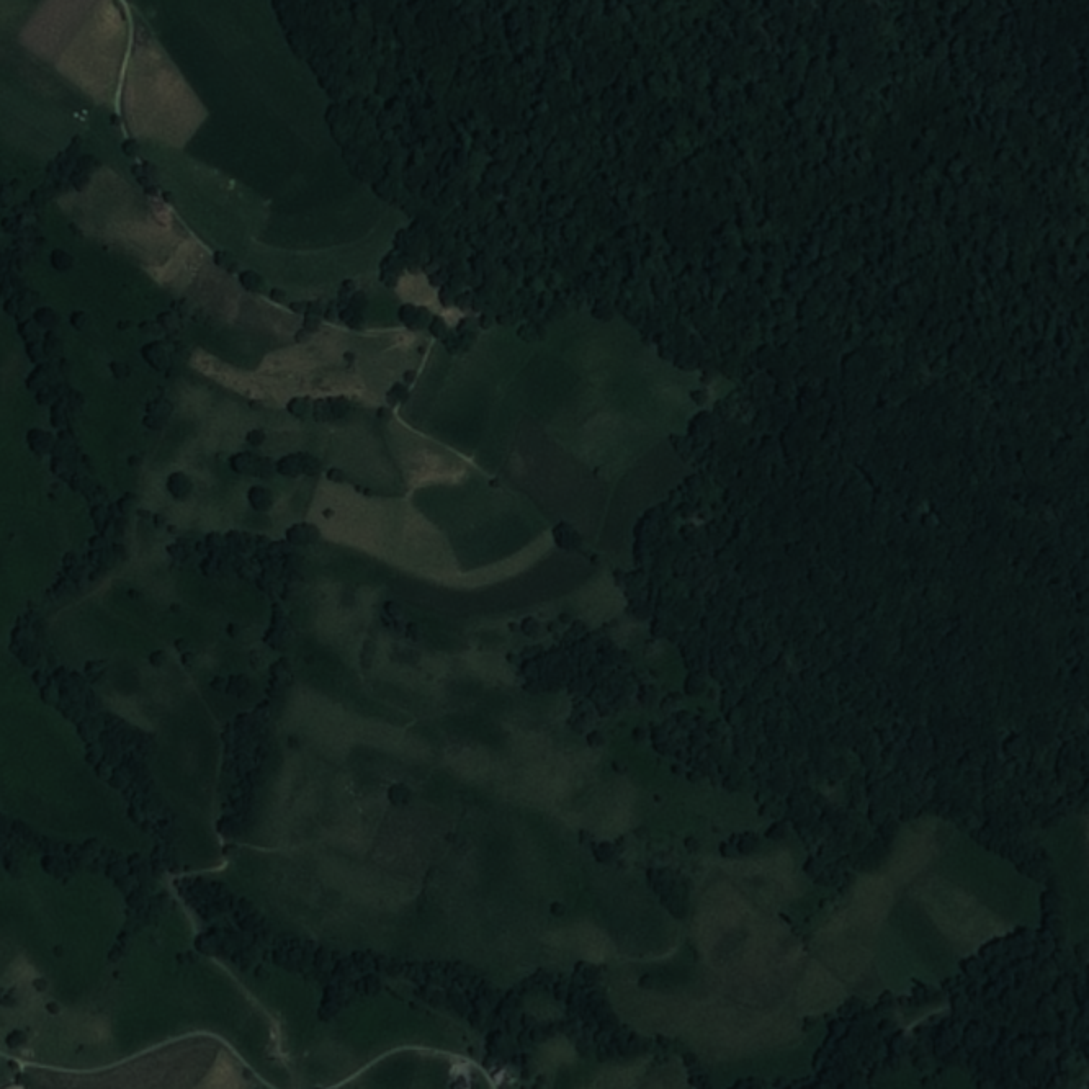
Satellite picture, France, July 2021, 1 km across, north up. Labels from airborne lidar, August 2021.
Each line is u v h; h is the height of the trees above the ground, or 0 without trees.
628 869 12
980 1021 6
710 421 24
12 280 23
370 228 0
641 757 0
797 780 25
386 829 0
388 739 0
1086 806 22
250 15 0
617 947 0
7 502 0
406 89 17
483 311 23
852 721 26
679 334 22
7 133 0
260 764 12
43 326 25
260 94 0
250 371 0
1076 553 30
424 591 0
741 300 23
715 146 14
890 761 30
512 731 0
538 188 28
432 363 0
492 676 0
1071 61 29
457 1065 0
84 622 0
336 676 0
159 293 0
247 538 15
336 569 0
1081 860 0
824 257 26
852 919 0
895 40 10
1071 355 28
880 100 29
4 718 0
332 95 12
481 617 0
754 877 0
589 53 24
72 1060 0
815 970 0
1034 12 26
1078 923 0
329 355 0
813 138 15
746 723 20
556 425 0
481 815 0
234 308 0
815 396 34
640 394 0
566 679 21
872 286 34
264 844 0
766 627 25
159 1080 0
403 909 0
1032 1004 25
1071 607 24
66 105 0
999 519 34
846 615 25
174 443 0
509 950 0
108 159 0
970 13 26
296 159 0
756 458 24
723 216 18
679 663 0
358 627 0
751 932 0
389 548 0
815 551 19
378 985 13
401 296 0
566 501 0
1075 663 25
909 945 0
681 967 0
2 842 16
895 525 29
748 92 6
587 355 0
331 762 0
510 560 0
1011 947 25
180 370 21
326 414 24
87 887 0
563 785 0
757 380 17
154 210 0
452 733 0
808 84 29
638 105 33
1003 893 0
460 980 19
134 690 0
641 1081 0
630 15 16
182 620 0
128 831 0
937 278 14
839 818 24
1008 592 24
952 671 26
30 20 0
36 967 0
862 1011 13
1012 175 13
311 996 0
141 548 0
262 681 0
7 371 0
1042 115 30
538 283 25
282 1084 0
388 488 0
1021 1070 29
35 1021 0
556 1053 0
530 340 15
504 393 0
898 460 32
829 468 28
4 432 0
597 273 10
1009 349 18
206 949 21
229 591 0
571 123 24
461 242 27
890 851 8
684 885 9
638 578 19
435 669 0
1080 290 15
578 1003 25
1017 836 19
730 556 25
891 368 22
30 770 0
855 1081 24
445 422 0
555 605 0
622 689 25
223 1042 0
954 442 22
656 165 9
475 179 30
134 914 13
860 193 14
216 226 0
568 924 0
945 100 11
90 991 0
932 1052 10
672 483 0
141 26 0
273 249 0
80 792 0
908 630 26
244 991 0
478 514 0
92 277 0
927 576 21
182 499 20
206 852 0
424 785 0
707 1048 0
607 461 0
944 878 0
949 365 17
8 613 0
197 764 0
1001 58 21
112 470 0
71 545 0
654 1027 0
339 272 0
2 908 0
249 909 16
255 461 19
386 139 20
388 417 14
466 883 0
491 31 9
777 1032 0
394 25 22
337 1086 0
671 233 16
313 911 0
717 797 0
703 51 23
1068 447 27
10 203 22
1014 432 24
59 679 22
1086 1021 9
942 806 15
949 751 27
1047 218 10
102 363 0
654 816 0
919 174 11
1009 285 36
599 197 15
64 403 21
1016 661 22
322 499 0
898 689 20
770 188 14
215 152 0
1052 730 28
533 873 0
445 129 18
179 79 0
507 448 0
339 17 23
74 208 0
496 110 12
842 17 31
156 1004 0
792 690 22
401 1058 0
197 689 0
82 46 0
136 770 27
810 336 24
